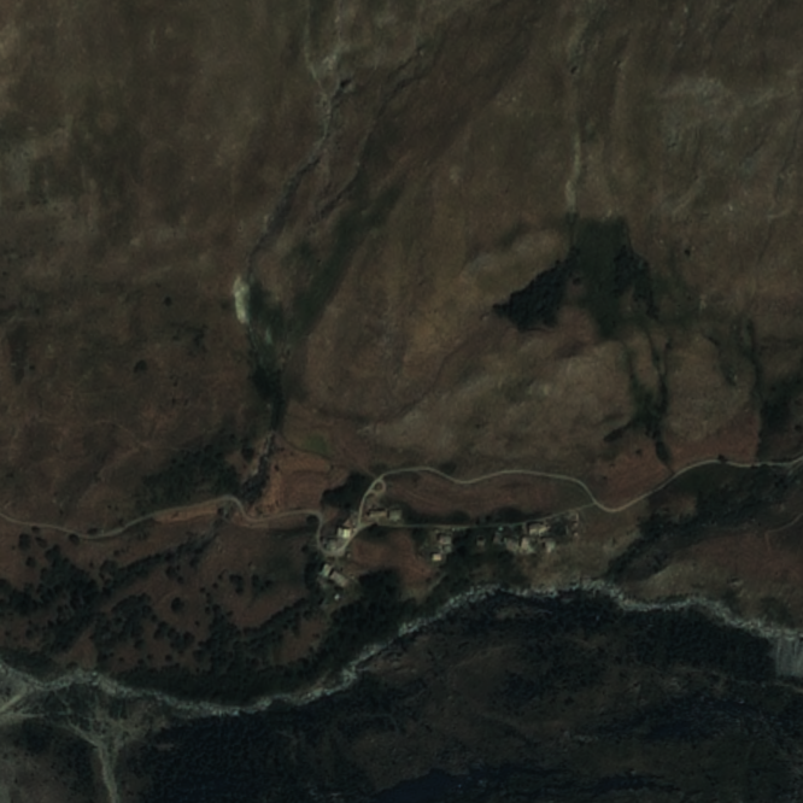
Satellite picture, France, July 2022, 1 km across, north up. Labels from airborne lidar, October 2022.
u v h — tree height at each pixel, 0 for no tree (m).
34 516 0
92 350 0
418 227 0
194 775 10
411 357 0
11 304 0
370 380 0
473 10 0
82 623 7
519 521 0
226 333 0
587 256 0
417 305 0
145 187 0
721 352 0
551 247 0
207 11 0
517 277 0
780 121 0
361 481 10
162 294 0
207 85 0
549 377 0
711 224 0
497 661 0
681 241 0
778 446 0
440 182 0
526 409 0
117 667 0
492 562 0
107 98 0
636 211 0
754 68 0
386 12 0
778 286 0
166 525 0
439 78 0
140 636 10
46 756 0
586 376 0
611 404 0
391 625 11
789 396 0
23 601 9
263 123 0
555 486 0
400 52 0
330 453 0
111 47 0
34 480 0
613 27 0
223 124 0
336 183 0
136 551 0
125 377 0
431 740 0
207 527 0
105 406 0
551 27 0
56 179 0
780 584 0
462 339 0
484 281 0
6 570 0
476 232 0
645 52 0
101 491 0
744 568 0
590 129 0
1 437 0
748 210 0
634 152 0
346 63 0
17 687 0
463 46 0
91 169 0
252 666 7
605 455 0
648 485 0
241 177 0
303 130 0
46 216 0
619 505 0
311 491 0
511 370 0
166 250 0
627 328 0
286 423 0
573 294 0
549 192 0
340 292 0
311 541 0
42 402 0
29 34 0
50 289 0
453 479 0
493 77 0
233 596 0
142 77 0
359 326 0
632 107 0
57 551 10
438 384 0
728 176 0
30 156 0
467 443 0
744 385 0
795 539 0
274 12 0
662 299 0
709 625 7
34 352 0
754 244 0
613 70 0
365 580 19
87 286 0
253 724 14
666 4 0
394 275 0
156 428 0
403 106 0
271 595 0
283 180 0
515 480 0
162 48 0
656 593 0
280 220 0
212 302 0
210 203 0
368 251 0
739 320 0
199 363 0
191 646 7
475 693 0
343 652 9
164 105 0
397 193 0
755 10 0
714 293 0
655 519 9
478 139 0
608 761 0
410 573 0
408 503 0
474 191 0
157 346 0
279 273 0
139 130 0
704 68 0
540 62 0
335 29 0
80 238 0
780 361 0
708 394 0
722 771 0
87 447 0
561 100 0
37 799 0
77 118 0
